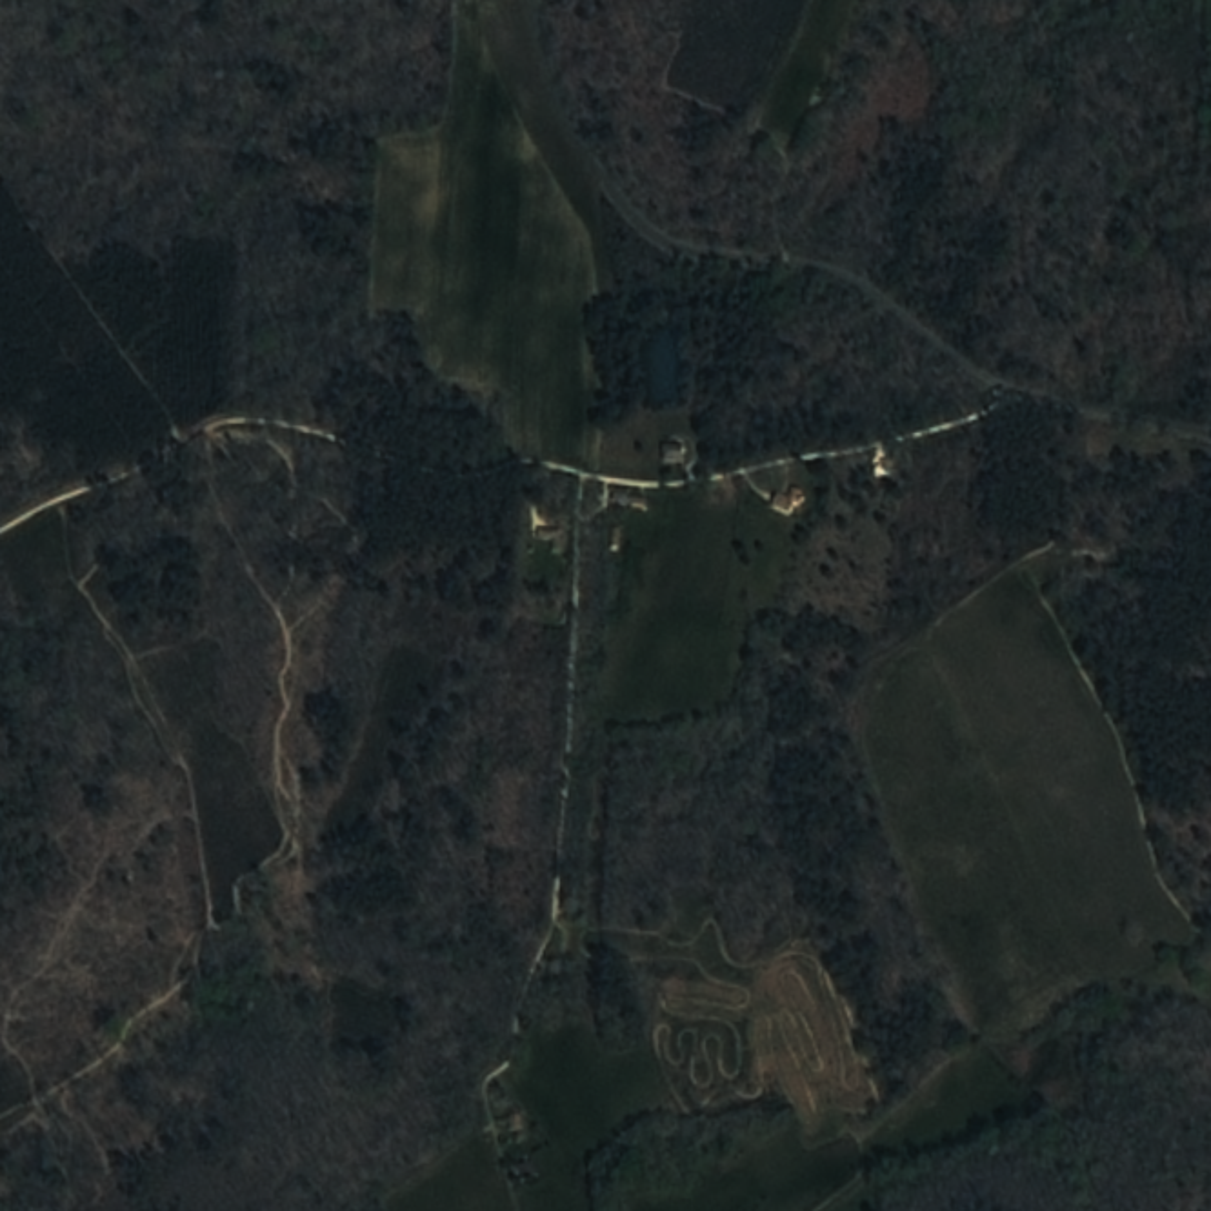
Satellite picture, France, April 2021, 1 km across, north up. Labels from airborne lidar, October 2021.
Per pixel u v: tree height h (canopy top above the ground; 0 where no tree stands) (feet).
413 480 0
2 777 35
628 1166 78
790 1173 0
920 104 0
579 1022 50
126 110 58
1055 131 35
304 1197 71
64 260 21
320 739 77
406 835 82
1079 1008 49
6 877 46
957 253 40
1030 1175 58
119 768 26
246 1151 0
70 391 36
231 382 43
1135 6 57
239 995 83
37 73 59
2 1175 51
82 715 61
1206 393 52
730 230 40
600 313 46
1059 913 0
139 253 38
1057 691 0
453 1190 0
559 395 0
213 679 39
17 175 39
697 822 58
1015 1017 0
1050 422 66
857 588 23
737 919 51
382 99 28
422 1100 65
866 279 44
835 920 82
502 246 0
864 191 52
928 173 61
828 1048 0
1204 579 80
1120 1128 47
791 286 25
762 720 54
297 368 52
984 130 73
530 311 0
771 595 0
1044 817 0
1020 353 41
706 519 0
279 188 38
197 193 73
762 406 36
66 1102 65
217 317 38
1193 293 44
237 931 67
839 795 75
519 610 39
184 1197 43
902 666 0
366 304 56
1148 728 94
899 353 41
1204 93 44
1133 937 53
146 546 56
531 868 21
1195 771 82
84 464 26
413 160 0
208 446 29
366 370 42
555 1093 0
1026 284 20
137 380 23
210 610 32
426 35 52
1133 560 53
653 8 49
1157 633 81
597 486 60
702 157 67
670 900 53
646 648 0
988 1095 0
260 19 66
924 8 34
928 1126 0
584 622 64
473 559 71
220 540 47
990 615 0
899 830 0
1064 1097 0
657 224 32
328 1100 80
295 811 0
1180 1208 52
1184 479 57
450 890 0
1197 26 37
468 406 53
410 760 73
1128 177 51
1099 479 73
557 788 38
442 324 0
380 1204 31
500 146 0
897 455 54
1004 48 59
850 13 0
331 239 66
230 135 48
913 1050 85
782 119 0
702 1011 0
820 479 56
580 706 71
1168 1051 64
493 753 27
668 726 46
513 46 0
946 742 0
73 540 40
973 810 0
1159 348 39
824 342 49
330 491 60
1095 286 31
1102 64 54
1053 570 0
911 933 52
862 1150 0
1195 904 58
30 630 58
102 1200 19
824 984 0
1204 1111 41
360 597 40
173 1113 47
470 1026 42
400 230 0
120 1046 82
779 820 73
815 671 66
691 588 0
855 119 57
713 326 51
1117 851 0
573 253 0
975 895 0
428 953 47
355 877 29
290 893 0
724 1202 0
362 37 71
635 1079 0
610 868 51
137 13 36
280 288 77
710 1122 55
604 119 64
